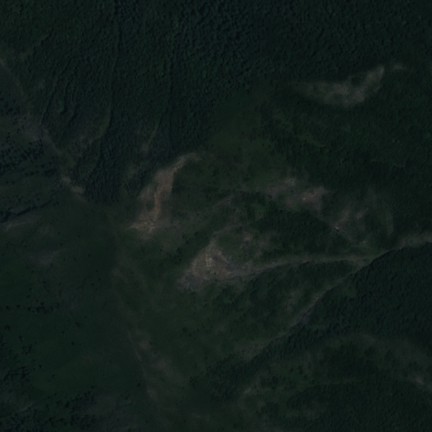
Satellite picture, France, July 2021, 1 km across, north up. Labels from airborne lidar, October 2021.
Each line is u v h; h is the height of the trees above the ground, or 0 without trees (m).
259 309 9
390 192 13
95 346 0
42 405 0
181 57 19
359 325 8
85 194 7
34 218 0
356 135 16
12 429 7
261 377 10
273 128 13
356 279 9
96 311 0
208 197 11
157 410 0
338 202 9
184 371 0
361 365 11
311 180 9
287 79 9
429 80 15
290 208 0
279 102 12
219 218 0
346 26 27
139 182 7
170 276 0
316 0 26
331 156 17
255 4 24
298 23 13
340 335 10
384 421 12
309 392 12
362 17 23
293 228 14
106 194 8
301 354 6
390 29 24
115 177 10
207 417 0
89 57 17
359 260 0
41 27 19
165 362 0
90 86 19
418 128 21
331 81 13
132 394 0
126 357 0
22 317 0
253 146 0
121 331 0
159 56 19
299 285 8
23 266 0
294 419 11
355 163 23
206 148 7
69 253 0
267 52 19
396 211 13
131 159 8
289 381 6
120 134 12
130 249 0
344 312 14
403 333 13
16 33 16
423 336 10
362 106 17
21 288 0
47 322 0
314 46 17
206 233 0
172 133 9
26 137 0
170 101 15
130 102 13
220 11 25
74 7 17
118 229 0
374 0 12
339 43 28
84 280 0
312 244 7
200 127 11
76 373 0
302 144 17
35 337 0
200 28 19
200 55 21
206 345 0
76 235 0
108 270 0
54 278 0
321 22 30
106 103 9
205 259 0
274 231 8
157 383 0
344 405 10
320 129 12
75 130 7
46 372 0
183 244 0
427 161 18
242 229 11
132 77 14
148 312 0
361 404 12
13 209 0
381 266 17
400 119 15
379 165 21
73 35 15
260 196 9
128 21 17
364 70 15
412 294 13
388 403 19
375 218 11
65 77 17
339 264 12
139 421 0
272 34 16
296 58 19
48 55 20
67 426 11
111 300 0
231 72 18
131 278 0
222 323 0
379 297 14
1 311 15
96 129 8
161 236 0
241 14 16
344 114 22
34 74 10
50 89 11
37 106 10
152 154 6
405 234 11
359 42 27
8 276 0
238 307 10
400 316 11
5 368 11
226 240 0
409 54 14
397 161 10
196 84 15
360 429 12
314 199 0
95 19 25
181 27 12
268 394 0
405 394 14
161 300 0
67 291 0
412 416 14
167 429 0
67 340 0
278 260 0
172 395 0
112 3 16
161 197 0
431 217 12
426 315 16
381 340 7
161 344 0
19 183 0
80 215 0
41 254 0
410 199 14
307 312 0
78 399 13
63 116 10
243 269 0
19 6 20
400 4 28
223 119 0
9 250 0
